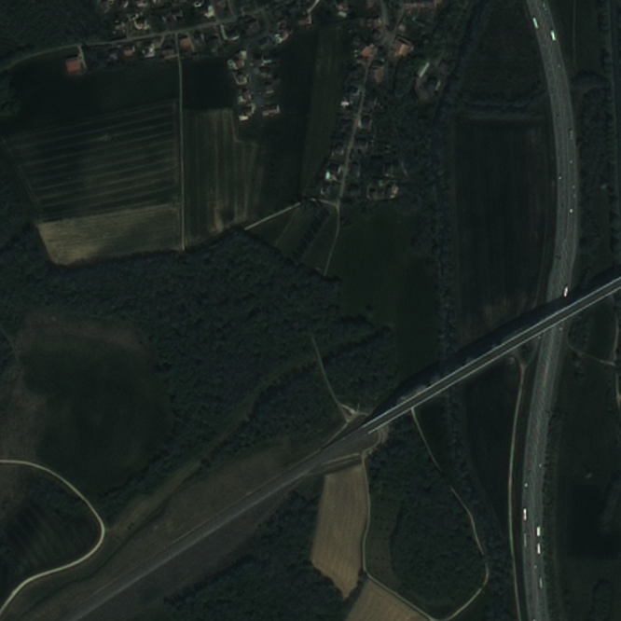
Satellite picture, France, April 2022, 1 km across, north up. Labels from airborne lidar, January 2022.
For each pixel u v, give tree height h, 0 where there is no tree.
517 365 0
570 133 0
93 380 0
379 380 28
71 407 0
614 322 0
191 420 16
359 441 0
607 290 0
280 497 0
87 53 10
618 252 16
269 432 21
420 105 0
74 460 0
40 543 0
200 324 24
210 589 19
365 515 0
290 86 0
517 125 0
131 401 0
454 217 0
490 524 19
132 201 0
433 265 17
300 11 0
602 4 20
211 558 0
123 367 0
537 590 0
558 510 0
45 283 19
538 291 0
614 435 0
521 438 0
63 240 0
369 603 0
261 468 0
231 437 11
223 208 0
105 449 0
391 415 0
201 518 0
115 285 17
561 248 0
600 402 0
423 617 0
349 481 0
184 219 0
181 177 0
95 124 0
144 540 0
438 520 19
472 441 0
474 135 0
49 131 0
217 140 0
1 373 16
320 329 27
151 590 0
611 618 0
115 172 0
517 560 0
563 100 0
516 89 0
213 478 0
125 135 0
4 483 0
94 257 0
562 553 0
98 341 0
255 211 0
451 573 19
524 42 0
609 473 0
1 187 22
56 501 16
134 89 0
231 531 0
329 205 0
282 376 0
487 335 0
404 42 0
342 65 0
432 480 23
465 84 0
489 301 0
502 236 0
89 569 0
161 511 0
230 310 29
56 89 0
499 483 0
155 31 0
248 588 21
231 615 19
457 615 0
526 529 0
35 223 0
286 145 0
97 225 0
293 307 27
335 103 0
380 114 5
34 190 0
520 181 0
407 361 0
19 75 0
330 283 18
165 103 0
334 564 0
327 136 0
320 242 0
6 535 0
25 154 0
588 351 0
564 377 0
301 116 0
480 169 0
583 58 0
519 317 0
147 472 12
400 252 0
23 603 0
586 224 17
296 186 0
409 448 27
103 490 0
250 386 23
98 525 0
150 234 0
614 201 16
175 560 0
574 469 0
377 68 0
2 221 27
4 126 0
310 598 29
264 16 0
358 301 0
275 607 23
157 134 0
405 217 0
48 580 0
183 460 10
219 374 23
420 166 19
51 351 0
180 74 0
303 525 25
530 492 0
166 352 17
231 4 0
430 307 0
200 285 26
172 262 22
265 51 0
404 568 23
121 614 0
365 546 0
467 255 0
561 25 0
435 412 0
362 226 0
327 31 0
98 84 0
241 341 26
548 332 0
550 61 0
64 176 0
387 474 20
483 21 22
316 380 28
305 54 0
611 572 0
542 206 0
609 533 0
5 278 18
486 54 21
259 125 0
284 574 29
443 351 10
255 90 0
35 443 0
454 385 17
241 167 0
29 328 0
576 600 0
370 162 9
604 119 21
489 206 0
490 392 0
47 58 0
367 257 0
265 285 21
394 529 0
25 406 0
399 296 0
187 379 18
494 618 8
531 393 0
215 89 0
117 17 7
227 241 23
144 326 11
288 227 0
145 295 17
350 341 0
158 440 0
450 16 17
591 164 21
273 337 25
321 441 0
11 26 12
